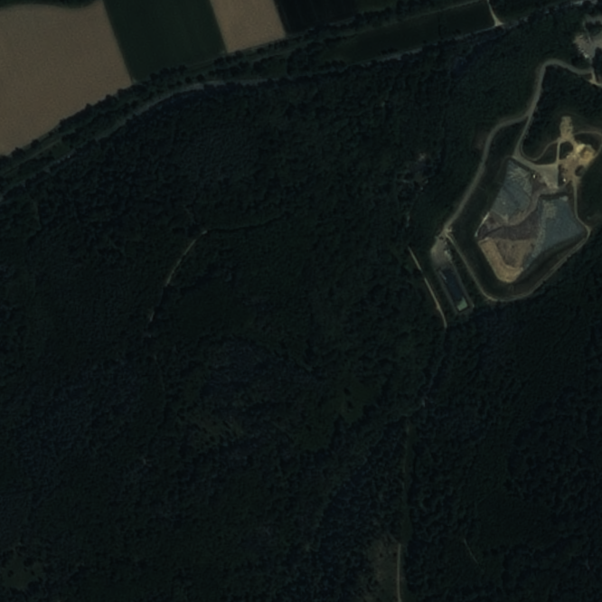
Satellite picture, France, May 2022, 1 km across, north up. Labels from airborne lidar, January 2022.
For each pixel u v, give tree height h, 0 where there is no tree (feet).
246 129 58
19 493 78
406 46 0
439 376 42
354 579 70
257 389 71
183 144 50
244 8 0
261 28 0
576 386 47
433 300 0
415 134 83
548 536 56
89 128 64
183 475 77
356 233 74
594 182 0
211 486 75
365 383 80
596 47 0
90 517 69
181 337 53
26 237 45
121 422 30
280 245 68
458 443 100
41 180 46
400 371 64
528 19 0
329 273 49
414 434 0
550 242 0
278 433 92
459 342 65
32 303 69
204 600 48
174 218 91
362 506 94
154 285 24
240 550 56
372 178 61
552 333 47
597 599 86
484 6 0
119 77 0
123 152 65
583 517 82
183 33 0
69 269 57
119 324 33
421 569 81
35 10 0
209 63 0
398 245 43
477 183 0
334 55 0
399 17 52
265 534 74
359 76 65
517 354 52
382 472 56
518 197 0
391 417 70
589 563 61
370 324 70
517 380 27
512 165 0
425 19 0
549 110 33
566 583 94
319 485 87
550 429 100
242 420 89
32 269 70
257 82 0
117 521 66
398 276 61
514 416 45
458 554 49
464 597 103
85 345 60
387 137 60
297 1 0
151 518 61
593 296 20
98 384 76
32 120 0
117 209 83
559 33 54
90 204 63
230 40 0
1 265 91
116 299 56
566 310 52
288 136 58
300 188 64
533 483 102
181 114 74
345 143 66
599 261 28
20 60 0
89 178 78
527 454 75
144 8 0
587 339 44
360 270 73
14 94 0
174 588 72
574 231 0
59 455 82
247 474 80
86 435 58
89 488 68
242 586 83
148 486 60
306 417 56
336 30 40
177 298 50
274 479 57
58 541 85
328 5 0
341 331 77
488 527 55
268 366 65
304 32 0
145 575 79
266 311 84
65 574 71
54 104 0
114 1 0
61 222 45
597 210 0
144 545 63
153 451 72
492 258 0
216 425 27
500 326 77
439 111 76
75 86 0
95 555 76
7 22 0
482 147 0
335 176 47
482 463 47
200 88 0
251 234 69
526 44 43
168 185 78
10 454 62
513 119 0
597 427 107
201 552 62
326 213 55
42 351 66
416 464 30
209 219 54
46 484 99
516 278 0
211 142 66
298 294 72
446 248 0
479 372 41
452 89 74
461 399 55
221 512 64
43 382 65
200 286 72
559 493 94
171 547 66
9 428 37
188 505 83
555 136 0
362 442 78
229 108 76
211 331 60
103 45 0
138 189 85
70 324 45
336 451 82
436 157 44
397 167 55
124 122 0
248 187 66
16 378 68
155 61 0
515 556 101
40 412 70
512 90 57
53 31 0
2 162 23
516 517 52
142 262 24
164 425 67
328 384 73
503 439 44
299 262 72
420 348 40
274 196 64
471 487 47
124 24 0
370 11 0
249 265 69
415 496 70
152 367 61
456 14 0
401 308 71
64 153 0
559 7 0
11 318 85
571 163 0
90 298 36
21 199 62
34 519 73
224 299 72
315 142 90
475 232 0
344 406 0
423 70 52
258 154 82
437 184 27
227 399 83
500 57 78
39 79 0
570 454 104
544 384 57
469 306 0
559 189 0
